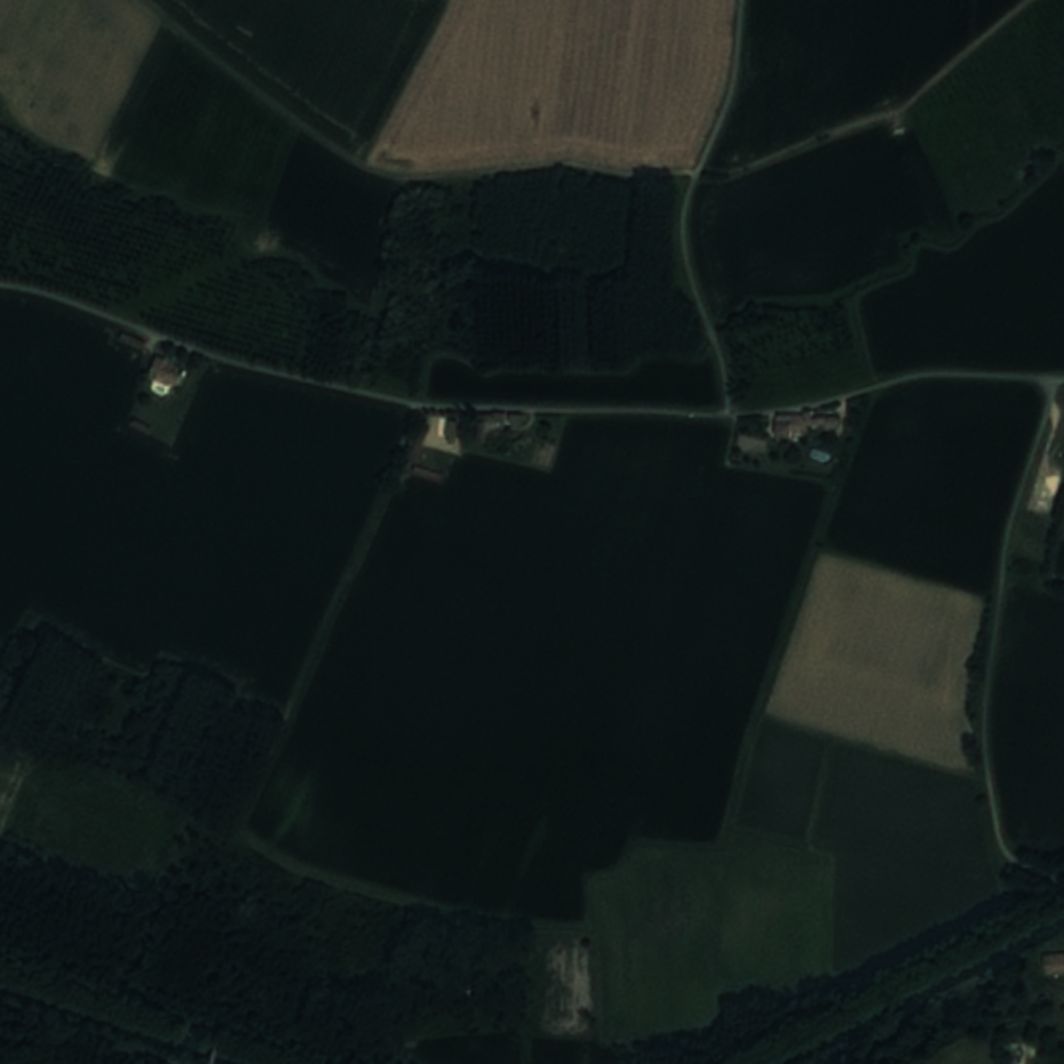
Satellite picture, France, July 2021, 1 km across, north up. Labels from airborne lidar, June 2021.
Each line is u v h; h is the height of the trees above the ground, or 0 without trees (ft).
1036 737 0
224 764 125
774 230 0
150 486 0
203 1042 109
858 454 0
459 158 0
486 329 88
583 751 0
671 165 0
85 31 0
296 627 0
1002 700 0
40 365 0
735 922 0
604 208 56
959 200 0
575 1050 0
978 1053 0
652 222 115
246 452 0
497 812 0
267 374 0
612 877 0
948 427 0
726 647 0
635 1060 43
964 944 112
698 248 0
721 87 0
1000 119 0
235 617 0
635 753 0
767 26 0
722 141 0
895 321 0
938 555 0
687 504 0
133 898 91
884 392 0
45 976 120
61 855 0
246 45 0
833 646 0
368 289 0
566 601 0
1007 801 0
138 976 75
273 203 0
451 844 0
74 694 115
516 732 0
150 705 37
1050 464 0
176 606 0
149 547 0
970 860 0
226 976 57
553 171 29
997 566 0
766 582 0
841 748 0
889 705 0
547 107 0
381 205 0
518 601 0
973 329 0
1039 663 0
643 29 0
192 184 0
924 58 0
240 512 0
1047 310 0
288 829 0
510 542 0
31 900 101
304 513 0
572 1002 0
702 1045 80
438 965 133
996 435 0
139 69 0
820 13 0
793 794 0
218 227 25
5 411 0
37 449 0
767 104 0
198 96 0
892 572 0
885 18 0
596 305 103
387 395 0
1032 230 0
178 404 0
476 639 0
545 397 0
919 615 0
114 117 0
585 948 26
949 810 0
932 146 0
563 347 99
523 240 47
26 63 0
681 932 0
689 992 0
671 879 0
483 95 0
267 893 28
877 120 0
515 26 0
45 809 0
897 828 0
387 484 63
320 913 25
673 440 0
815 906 0
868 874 0
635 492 0
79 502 0
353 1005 123
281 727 98
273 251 0
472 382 0
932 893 0
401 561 0
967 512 0
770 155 0
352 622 0
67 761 63
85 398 0
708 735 0
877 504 0
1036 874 48
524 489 0
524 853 0
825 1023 121
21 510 0
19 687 90
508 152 0
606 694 0
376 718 0
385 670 0
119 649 0
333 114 0
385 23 0
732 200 0
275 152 0
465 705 0
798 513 0
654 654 0
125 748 44
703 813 0
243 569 0
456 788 0
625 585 0
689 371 0
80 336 0
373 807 0
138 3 0
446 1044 0
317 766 0
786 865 0
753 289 0
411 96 0
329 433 0
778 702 0
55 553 0
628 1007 0
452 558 0
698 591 0
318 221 0
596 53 0
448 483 0
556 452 0
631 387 0
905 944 0
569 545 0
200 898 52
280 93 0
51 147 0
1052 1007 53
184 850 55
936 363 0
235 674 0
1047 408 0
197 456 0
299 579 0
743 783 0
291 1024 87
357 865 0
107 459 0
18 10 0
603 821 0
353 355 48
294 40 0
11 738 105
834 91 0
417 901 0
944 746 0
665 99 0
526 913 0
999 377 0
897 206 0
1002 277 0
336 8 0
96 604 0
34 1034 73
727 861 0
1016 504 0
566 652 0
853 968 0
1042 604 0
